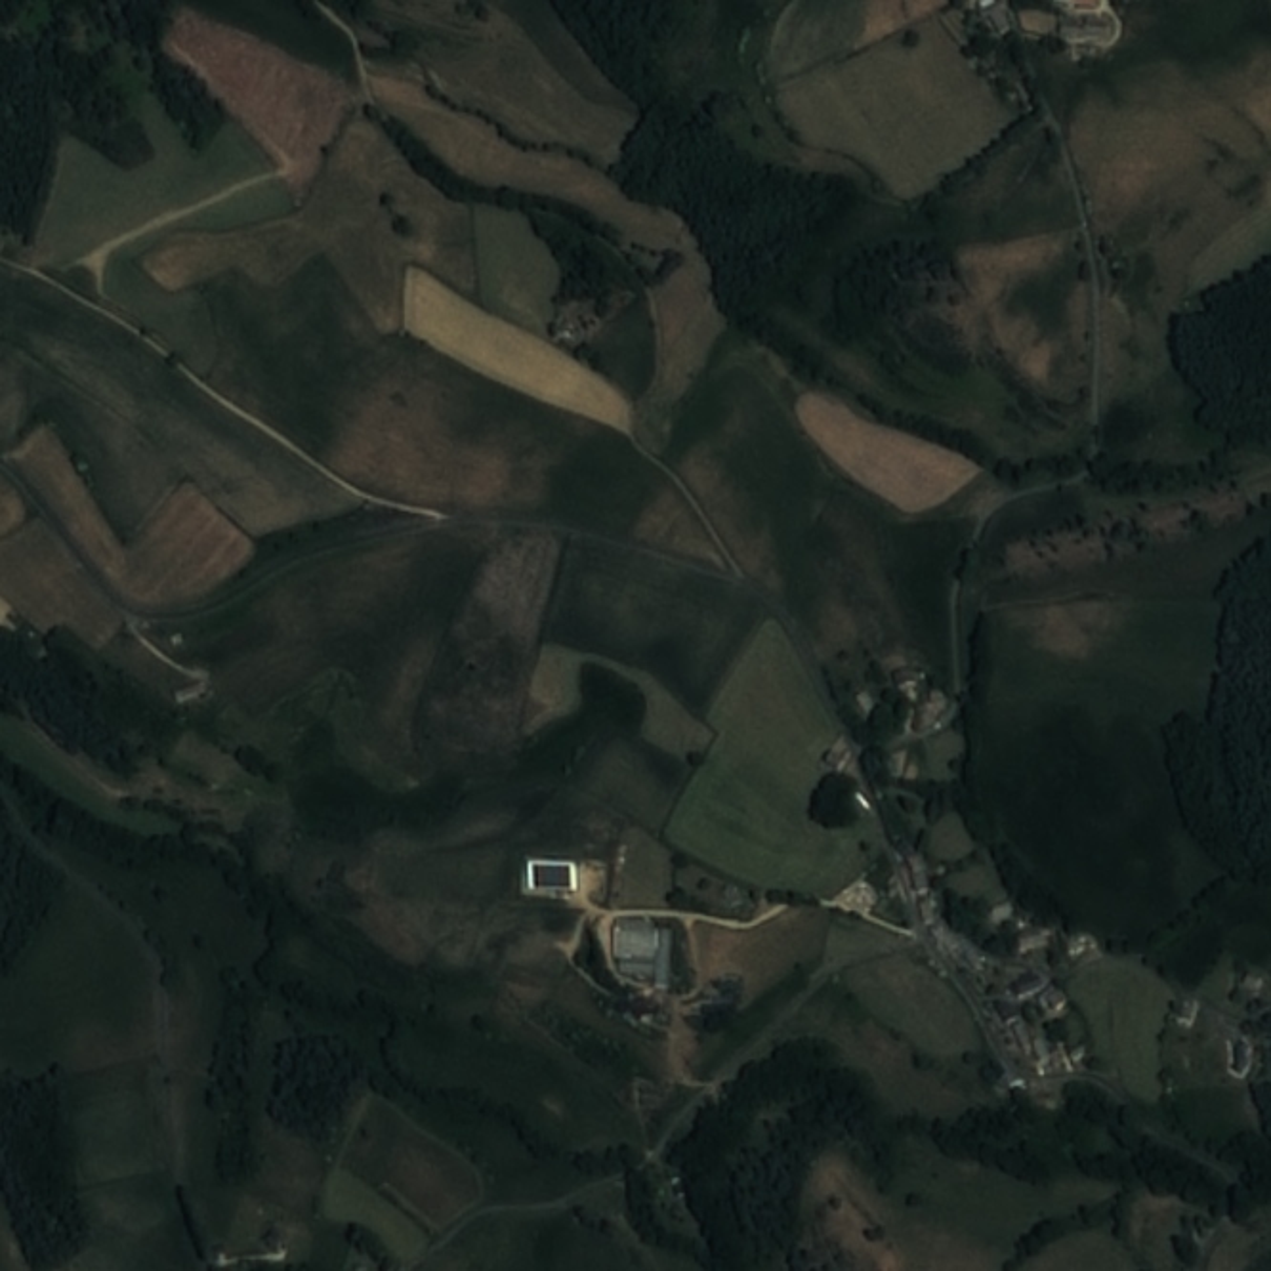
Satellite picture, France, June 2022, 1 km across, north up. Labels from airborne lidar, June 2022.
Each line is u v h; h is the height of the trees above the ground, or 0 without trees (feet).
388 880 0
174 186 0
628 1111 0
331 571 0
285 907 41
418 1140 0
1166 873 0
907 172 0
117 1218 0
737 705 0
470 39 0
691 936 0
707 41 0
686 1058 0
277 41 0
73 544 0
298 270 0
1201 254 0
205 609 0
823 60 0
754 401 0
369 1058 42
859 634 0
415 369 0
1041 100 52
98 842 70
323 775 0
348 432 0
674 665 0
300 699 0
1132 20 0
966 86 0
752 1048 0
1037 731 0
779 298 0
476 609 0
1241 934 0
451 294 0
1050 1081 0
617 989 27
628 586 0
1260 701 64
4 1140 61
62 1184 63
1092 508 0
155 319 0
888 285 21
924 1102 0
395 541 0
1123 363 0
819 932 0
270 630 0
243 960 0
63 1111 41
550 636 0
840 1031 0
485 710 0
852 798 73
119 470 0
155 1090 0
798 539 0
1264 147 0
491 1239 0
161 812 36
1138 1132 52
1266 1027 53
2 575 0
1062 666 0
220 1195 0
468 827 0
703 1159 59
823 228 62
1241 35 0
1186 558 0
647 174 63
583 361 40
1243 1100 0
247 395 0
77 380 0
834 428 0
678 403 0
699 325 0
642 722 0
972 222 0
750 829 0
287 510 0
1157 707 0
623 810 0
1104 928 0
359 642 0
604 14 38
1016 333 0
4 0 62
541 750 0
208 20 0
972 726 50
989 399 0
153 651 0
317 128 0
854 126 0
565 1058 0
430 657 0
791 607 0
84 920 0
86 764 0
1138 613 0
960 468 0
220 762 0
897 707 29
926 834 35
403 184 0
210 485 0
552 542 0
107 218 0
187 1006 0
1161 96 0
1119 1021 0
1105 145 0
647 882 0
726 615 0
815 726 0
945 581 0
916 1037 0
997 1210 0
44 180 52
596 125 0
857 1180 0
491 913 0
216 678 0
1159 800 0
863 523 0
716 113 72
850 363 0
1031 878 53
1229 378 89
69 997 0
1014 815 0
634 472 0
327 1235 0
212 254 0
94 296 0
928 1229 0
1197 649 0
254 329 0
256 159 0
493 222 0
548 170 0
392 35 47
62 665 35
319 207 0
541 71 0
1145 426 0
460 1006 0
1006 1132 36
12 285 0
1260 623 55
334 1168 0
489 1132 0
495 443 0
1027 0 46
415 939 0
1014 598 0
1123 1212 57
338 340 0
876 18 0
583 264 42
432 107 0
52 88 51
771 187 58
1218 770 62
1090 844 0
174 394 0
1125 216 0
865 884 0
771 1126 37
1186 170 0
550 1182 0
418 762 0
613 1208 0
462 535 0
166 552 0
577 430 0
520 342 0
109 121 47
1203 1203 59
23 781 59
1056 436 0
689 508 0
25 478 0
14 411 0
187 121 39
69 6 41
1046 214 0
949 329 0
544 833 0
